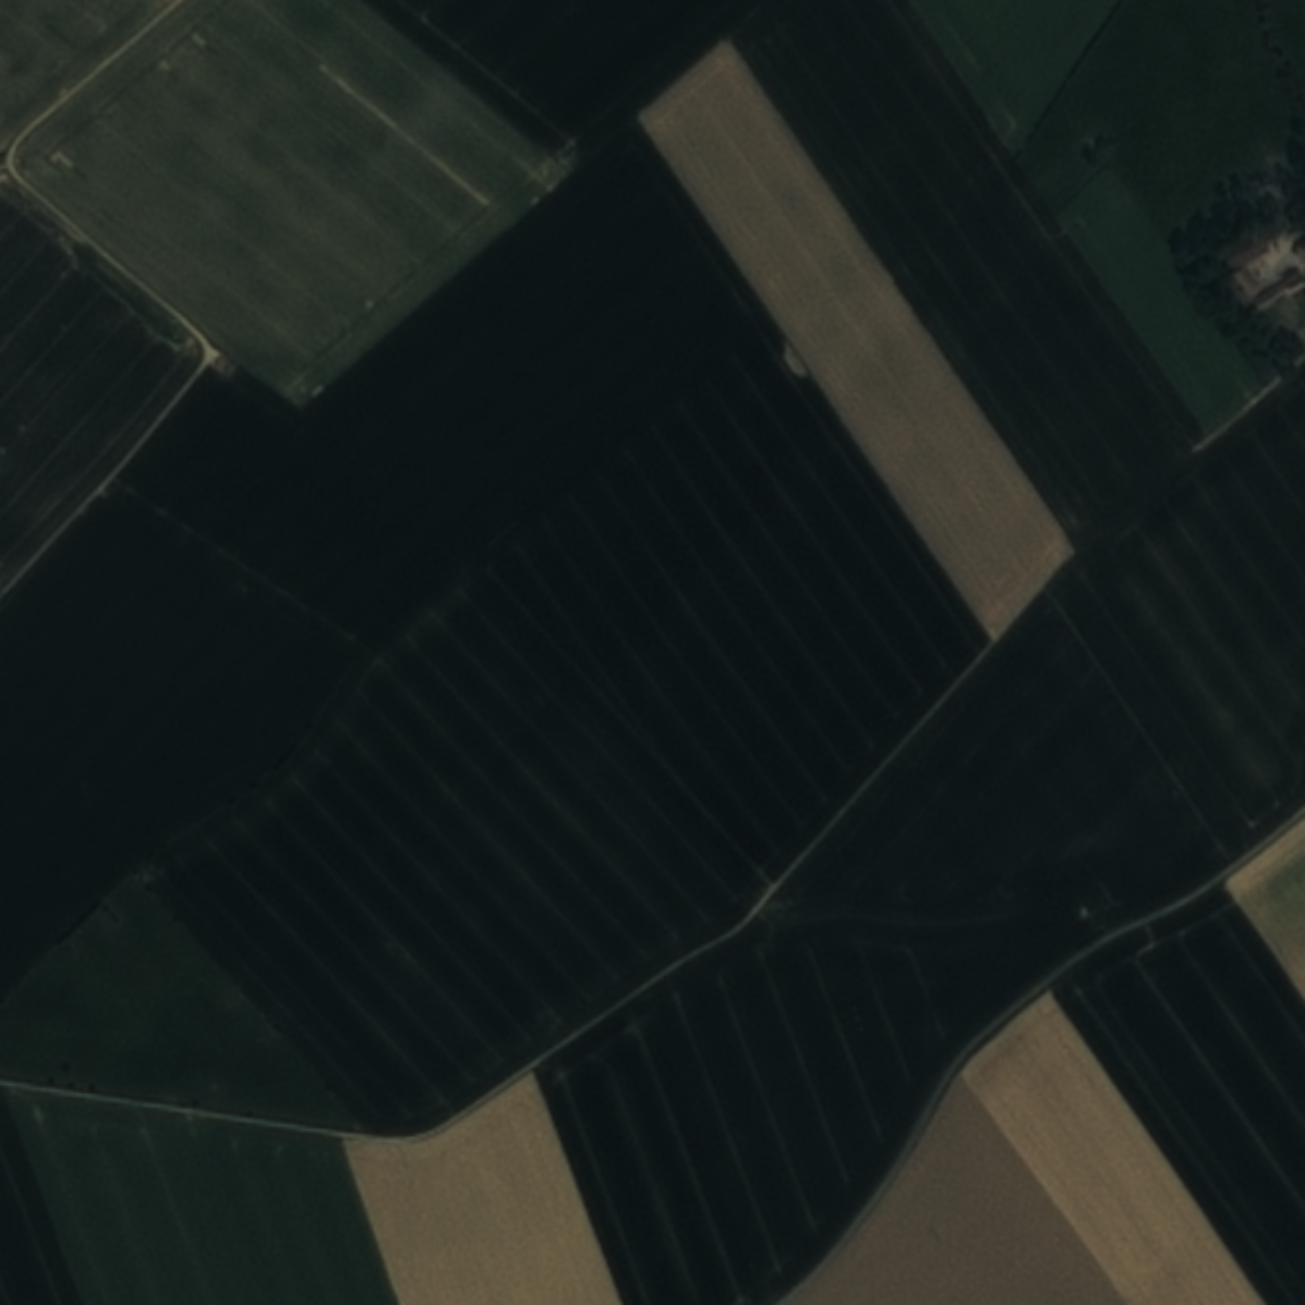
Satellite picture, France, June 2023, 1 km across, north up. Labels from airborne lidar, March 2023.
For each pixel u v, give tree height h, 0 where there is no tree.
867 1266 0
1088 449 0
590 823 0
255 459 0
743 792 0
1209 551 0
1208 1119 0
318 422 0
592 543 0
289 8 0
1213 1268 0
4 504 0
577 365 0
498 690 0
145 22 0
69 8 0
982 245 0
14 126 0
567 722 0
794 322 0
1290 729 0
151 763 0
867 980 0
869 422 0
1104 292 0
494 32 0
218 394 0
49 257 0
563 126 0
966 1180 0
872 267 0
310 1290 0
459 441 0
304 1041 0
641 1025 0
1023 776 0
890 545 0
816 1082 0
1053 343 0
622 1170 0
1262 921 0
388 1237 0
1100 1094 0
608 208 0
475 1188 0
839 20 0
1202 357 0
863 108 0
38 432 0
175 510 0
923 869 0
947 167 0
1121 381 0
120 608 0
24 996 0
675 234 0
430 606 0
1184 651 0
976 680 0
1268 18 8
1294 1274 0
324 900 0
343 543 0
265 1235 0
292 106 0
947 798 0
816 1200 0
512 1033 0
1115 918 0
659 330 0
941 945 0
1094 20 0
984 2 0
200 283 0
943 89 0
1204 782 0
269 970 0
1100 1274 0
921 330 0
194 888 0
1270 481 0
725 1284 0
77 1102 0
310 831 0
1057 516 0
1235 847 0
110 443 0
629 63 0
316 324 0
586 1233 0
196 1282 0
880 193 0
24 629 0
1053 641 0
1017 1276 0
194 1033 0
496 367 0
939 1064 0
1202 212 0
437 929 0
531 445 0
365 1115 0
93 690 0
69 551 0
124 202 0
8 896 0
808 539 0
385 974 0
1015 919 0
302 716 0
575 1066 0
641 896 0
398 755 0
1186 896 0
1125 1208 0
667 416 0
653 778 0
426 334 0
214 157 0
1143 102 0
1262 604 0
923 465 0
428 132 0
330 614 0
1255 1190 0
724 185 0
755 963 0
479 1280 0
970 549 0
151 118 0
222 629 0
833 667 0
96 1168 0
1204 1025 0
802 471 0
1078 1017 0
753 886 0
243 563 0
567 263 0
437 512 0
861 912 0
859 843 0
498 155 0
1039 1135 0
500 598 0
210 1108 0
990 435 0
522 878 0
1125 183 0
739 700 0
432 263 0
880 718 0
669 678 0
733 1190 0
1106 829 0
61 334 0
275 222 0
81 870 0
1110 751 0
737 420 0
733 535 0
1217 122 0
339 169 0
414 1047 0
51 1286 0
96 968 0
